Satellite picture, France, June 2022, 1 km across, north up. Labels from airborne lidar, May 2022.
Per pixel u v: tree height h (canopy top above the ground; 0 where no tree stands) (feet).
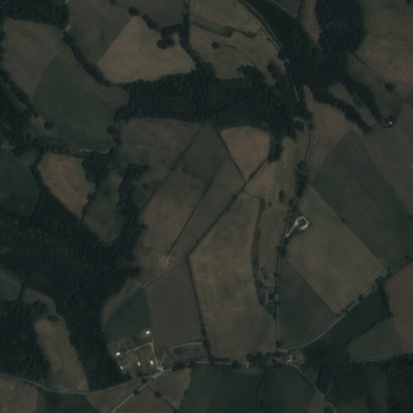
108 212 0
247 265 0
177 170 0
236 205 0
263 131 0
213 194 0
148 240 0
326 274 0
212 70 75
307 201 0
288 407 0
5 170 0
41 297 0
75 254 52
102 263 69
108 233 0
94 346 24
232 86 63
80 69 0
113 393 0
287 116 71
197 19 0
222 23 0
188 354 0
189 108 51
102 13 0
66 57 0
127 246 40
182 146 0
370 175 0
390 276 43
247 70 50
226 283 0
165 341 0
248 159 0
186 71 0
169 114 53
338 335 0
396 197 0
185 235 0
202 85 55
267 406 48
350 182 0
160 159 0
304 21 0
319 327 0
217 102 67
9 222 40
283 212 0
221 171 0
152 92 68
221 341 0
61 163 0
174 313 0
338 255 0
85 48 0
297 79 59
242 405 0
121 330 0
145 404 0
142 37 0
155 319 0
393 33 0
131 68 0
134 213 39
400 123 0
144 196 0
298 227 0
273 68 59
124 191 64
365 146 0
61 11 61
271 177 0
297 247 0
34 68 0
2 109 80
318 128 0
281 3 33
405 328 0
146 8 0
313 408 0
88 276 66
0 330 62
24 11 69
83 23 0
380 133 0
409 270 0
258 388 31
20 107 0
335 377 0
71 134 0
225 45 0
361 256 0
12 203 0
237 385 0
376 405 0
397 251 0
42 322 0
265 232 0
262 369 28
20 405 0
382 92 0
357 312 0
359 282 0
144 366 0
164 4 0
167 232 0
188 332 0
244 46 0
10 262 27
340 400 0
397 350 0
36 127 0
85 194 0
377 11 0
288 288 0
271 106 50
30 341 89
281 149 54
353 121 24
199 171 0
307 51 46
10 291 0
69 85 0
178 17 0
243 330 0
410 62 0
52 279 50
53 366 0
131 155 0
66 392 0
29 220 54
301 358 0
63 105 0
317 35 0
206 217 0
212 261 0
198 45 0
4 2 66
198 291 0
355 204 0
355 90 83
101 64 0
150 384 0
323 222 0
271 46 0
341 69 78
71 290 36
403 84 0
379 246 0
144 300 0
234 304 0
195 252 0
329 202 0
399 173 0
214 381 0
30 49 0
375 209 0
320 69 67
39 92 0
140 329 0
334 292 0
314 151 0
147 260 0
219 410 0
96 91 0
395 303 0
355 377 0
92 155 50
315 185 0
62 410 0
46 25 38
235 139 0
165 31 67
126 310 0
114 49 0
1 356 43
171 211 0
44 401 0
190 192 0
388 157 0
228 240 0
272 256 0
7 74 72
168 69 0
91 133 0
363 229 0
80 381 0
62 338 0
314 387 36
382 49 0
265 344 0
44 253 57
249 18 0
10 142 39
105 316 0
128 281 0
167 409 0
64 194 0
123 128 0
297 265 0
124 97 0
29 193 0
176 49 0
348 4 100
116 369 25
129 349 0
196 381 0
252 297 0
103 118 0
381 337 0
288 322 0
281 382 0
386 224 0
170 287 0
